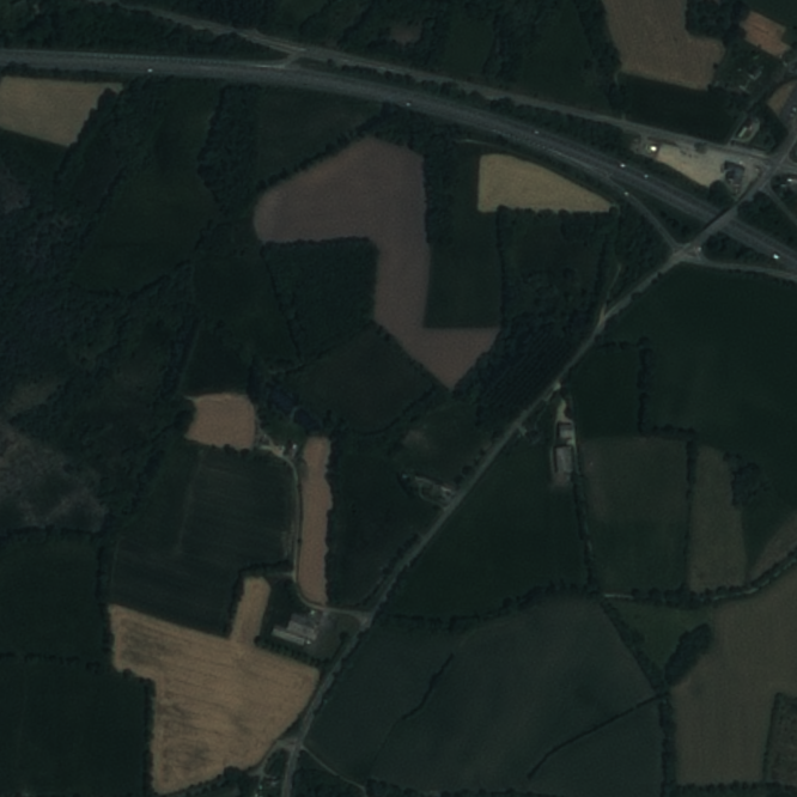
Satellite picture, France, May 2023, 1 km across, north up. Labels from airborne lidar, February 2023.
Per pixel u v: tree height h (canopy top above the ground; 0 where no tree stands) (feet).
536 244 0
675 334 0
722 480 0
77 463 30
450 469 0
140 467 23
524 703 0
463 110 0
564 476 0
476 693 0
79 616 0
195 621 0
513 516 0
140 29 36
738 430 0
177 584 0
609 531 0
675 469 0
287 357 0
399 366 0
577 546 0
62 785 0
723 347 0
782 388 0
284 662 0
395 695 0
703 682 0
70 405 40
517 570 0
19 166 45
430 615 0
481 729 0
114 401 0
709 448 0
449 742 0
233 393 0
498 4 64
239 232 0
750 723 0
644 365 47
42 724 0
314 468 0
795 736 0
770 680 0
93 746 0
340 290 61
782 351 0
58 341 50
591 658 0
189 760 0
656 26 0
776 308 0
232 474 0
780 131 23
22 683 0
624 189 0
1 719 0
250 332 0
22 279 44
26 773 0
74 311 27
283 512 0
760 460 0
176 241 0
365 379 0
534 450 0
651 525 0
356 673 0
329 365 0
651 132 0
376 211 0
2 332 48
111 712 0
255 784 20
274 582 0
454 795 0
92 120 41
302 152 0
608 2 0
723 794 39
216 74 0
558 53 0
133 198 0
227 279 0
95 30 22
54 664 29
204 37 27
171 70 0
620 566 0
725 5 25
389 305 0
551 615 0
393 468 0
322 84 0
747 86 0
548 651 0
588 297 21
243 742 0
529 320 53
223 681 0
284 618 0
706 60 0
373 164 0
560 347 96
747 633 0
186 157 0
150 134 46
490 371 37
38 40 30
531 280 32
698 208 0
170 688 0
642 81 0
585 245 44
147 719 32
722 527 0
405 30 0
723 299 0
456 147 51
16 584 0
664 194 0
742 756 0
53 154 0
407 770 0
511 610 50
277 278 48
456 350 0
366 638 34
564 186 0
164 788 0
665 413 0
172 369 41
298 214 0
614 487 0
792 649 0
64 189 40
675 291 0
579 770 0
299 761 21
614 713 0
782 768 0
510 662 0
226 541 0
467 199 0
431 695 24
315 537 0
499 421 36
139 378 0
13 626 0
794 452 0
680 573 0
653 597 37
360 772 0
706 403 0
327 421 27
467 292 0
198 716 0
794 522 0
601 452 0
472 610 0
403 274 0
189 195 0
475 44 0
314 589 0
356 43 49
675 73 0
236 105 62
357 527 0
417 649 0
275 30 30
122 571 0
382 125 60
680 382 0
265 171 0
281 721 0
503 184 0
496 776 0
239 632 0
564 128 25
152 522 0
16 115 0
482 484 0
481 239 0
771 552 0
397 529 0
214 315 0
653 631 0
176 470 0
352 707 0
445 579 0
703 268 0
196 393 0
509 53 58
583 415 0
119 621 0
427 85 31
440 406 51
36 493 0
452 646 0
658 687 49
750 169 0
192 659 0
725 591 25
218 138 52
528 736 0
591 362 0
